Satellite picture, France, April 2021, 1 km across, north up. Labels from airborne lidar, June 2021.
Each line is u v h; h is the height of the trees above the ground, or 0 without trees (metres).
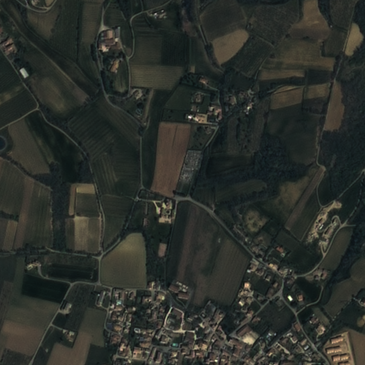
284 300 0
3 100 0
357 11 10
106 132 0
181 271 0
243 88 0
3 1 0
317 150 10
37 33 0
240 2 15
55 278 0
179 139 0
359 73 9
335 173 13
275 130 0
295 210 0
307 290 0
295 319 11
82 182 12
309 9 0
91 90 0
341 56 12
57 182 11
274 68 0
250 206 0
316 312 0
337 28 0
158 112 0
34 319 0
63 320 0
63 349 0
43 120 0
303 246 0
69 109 0
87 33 0
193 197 11
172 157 0
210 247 0
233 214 16
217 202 0
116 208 0
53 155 0
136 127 0
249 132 8
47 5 0
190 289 0
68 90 0
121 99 11
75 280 0
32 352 0
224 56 0
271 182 11
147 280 0
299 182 0
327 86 0
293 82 9
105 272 0
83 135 0
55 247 6
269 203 0
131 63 0
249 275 0
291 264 10
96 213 0
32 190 0
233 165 0
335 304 0
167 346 7
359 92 19
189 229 0
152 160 0
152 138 0
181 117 0
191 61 0
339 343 0
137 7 0
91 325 0
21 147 0
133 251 0
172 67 0
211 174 0
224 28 0
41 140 0
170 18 0
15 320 0
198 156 0
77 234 0
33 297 0
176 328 0
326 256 0
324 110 11
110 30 0
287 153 15
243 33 0
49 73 0
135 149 0
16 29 0
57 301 0
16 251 7
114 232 0
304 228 0
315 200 0
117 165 0
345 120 11
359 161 18
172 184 0
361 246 16
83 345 0
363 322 0
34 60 0
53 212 15
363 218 12
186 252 0
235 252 0
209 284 0
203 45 0
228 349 10
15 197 0
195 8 34
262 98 7
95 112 0
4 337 0
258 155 12
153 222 0
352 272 0
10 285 0
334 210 8
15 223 0
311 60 0
